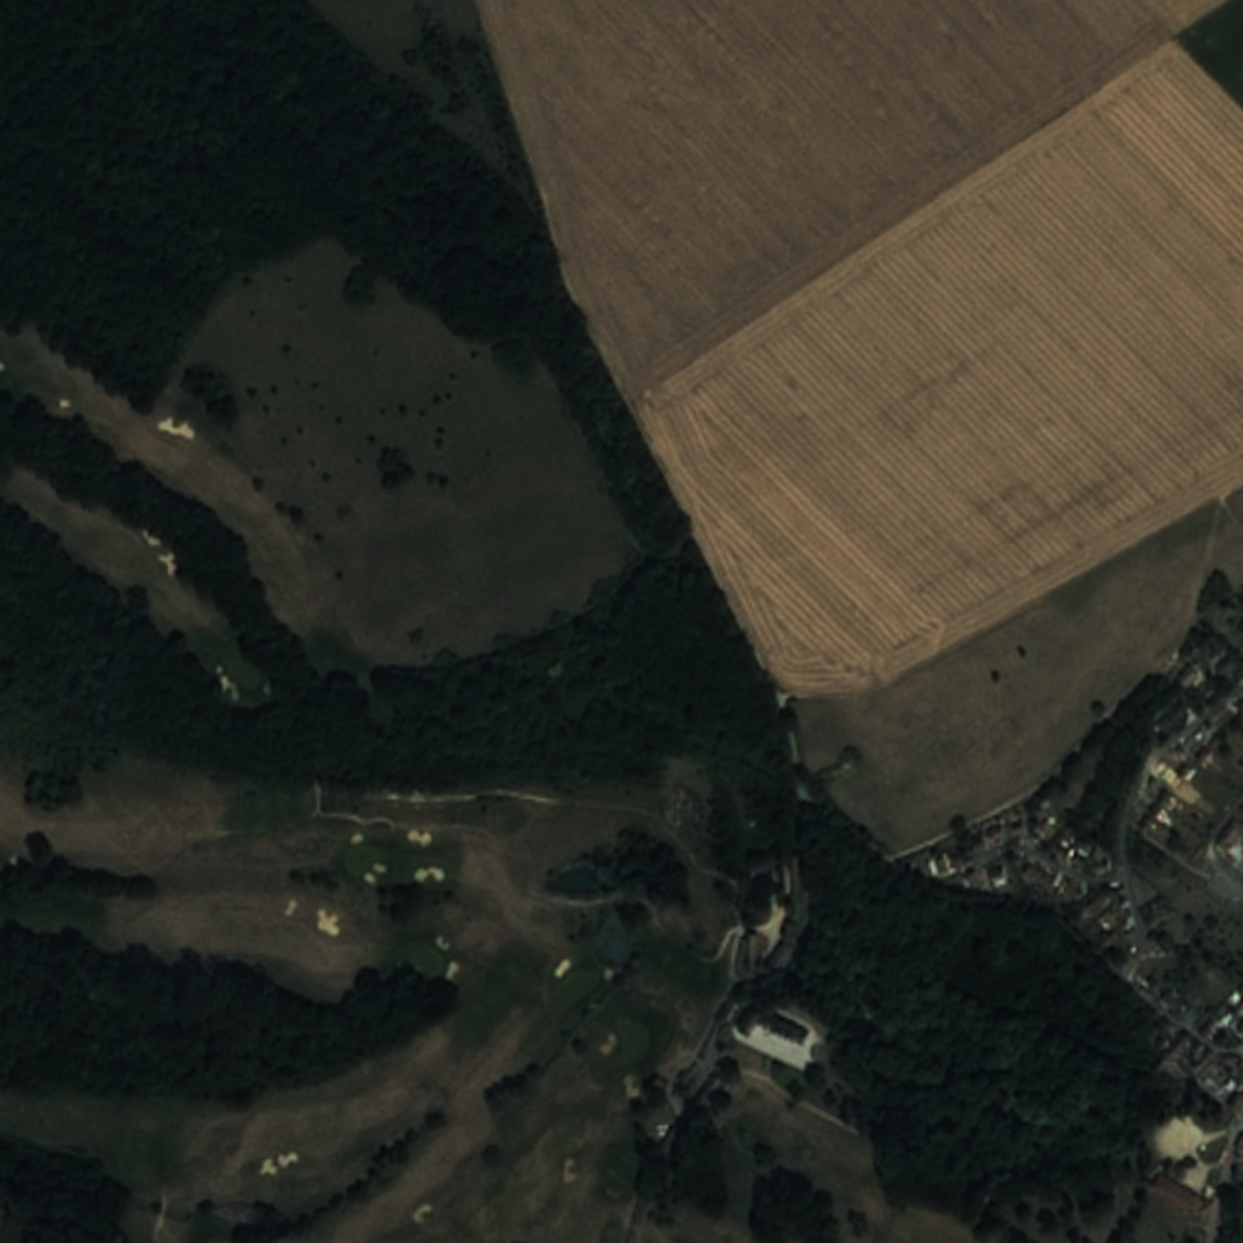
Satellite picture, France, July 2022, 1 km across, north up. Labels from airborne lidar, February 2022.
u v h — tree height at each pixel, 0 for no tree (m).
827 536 0
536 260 18
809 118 0
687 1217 0
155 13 13
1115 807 11
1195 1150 0
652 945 0
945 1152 27
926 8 0
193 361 0
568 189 0
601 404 13
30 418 18
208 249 9
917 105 0
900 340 0
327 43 16
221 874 0
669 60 0
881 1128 21
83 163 11
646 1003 0
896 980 17
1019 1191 29
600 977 0
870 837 9
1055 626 0
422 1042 0
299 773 13
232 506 0
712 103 0
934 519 0
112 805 0
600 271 0
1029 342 0
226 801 0
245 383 0
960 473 0
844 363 0
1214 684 8
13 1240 0
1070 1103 30
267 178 18
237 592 17
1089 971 16
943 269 0
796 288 0
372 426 0
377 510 0
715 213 0
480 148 0
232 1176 0
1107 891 8
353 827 0
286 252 14
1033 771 0
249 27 20
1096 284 0
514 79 0
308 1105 0
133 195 8
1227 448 0
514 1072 0
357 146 18
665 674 17
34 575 17
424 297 14
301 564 0
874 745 0
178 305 13
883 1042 26
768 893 13
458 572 0
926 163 0
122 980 29
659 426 0
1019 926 19
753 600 0
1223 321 0
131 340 14
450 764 19
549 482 0
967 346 0
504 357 7
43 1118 0
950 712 0
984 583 0
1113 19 0
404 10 0
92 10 19
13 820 0
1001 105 0
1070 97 0
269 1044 21
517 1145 0
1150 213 0
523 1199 0
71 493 13
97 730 16
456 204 20
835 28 0
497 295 20
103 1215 31
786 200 0
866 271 0
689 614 20
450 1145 0
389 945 0
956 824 8
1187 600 0
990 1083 25
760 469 0
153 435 0
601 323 0
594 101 0
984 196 0
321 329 0
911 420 0
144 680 19
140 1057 16
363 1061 9
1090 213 0
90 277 16
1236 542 0
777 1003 17
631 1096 0
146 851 0
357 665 0
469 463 0
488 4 0
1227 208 0
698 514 0
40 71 13
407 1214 0
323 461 0
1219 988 0
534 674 7
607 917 0
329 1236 0
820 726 0
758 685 21
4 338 0
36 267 14
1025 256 0
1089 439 0
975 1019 17
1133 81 0
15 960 24
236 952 0
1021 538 0
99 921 0
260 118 18
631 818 0
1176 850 6
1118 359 0
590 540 0
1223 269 0
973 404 0
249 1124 0
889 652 0
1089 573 0
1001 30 0
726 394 0
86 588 18
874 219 0
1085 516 0
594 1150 0
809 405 0
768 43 0
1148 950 0
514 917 0
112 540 0
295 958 0
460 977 0
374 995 23
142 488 19
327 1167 0
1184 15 0
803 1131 0
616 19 0
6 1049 23
